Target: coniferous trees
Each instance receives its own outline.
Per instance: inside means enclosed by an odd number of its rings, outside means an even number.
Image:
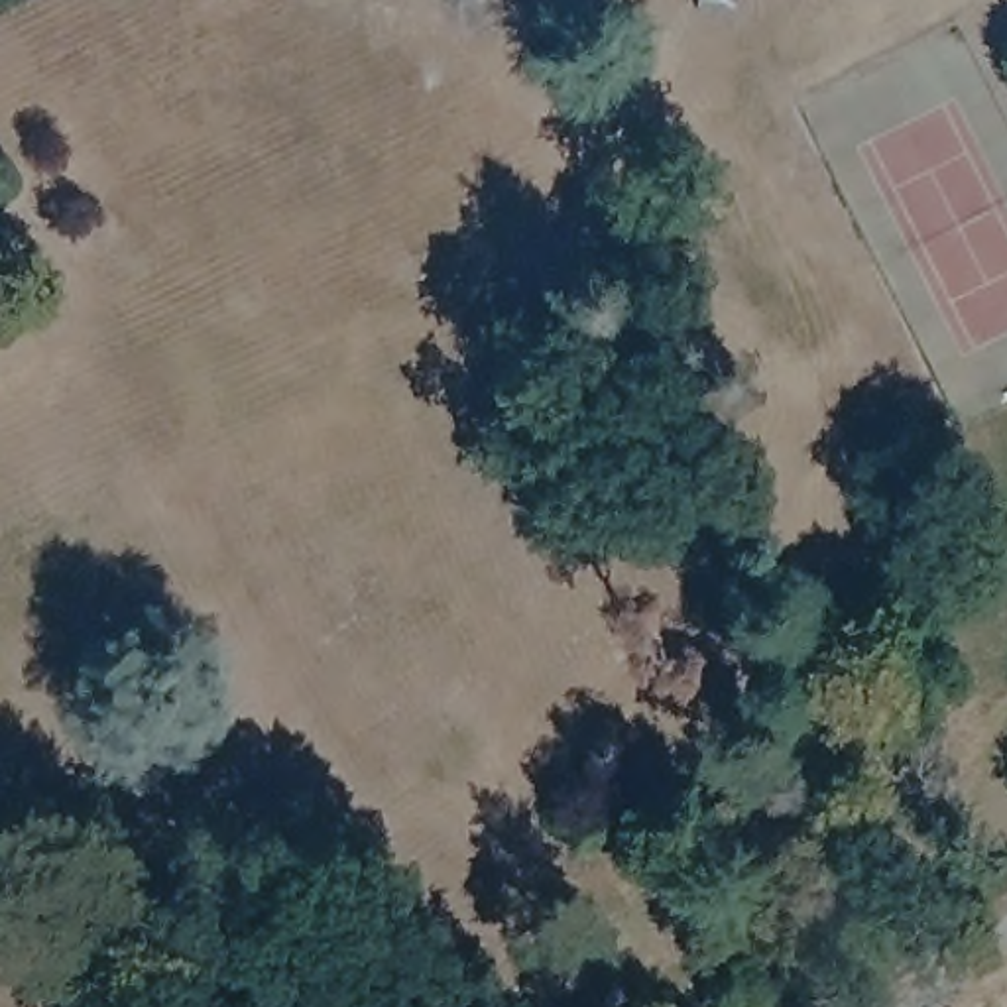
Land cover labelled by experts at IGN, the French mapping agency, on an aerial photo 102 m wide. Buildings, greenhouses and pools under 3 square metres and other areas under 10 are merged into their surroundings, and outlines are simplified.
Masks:
[[[606,118],[637,83],[653,83],[653,20],[641,8],[641,0],[531,0],[527,31],[515,35],[515,71],[547,90],[551,114],[574,122]]]
[[[114,625],[90,649],[90,661],[75,665],[67,700],[59,708],[63,716],[79,720],[87,736],[79,763],[94,767],[94,783],[122,783],[134,795],[142,795],[142,775],[149,767],[193,771],[212,743],[224,740],[224,732],[216,728],[216,688],[208,673],[216,665],[216,625],[201,614],[181,610],[165,590],[157,602],[126,598],[122,625]]]
[[[688,928],[720,936],[728,952],[743,952],[751,940],[771,940],[779,913],[759,905],[763,877],[751,873],[743,881],[724,877],[724,905],[704,905]]]

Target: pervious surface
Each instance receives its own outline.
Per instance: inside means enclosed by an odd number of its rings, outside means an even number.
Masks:
[[[964,976],[960,983],[956,1007],[1007,1007],[1007,940],[999,944],[1003,960],[995,972]]]

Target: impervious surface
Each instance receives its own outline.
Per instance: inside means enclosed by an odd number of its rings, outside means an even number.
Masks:
[[[948,979],[948,972],[940,968],[940,976],[920,987],[909,972],[889,987],[893,1007],[956,1007],[960,983]]]
[[[948,425],[956,425],[964,417],[983,417],[1007,405],[1007,59],[999,67],[991,63],[991,51],[976,24],[960,28],[940,20],[850,63],[826,83],[799,90],[795,98],[799,118],[814,138],[826,185],[838,208],[846,212],[850,232],[865,252],[865,264],[881,275],[881,287],[901,311],[905,326],[920,330],[920,342],[932,358],[932,378],[924,385],[932,389],[932,397],[948,405],[948,413]]]

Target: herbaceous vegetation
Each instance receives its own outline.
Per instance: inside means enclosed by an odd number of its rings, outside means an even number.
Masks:
[[[618,334],[610,334],[614,354],[653,354],[653,330],[629,330],[622,323]]]
[[[861,834],[869,834],[865,822],[854,822],[826,830],[822,838],[822,861],[830,873],[842,869],[842,842],[858,842]]]
[[[861,767],[865,755],[861,743],[830,747],[830,728],[814,724],[795,747],[802,771],[771,787],[767,802],[743,822],[724,822],[716,830],[716,846],[732,854],[747,850],[751,861],[763,869],[779,858],[783,846],[791,846],[814,822],[818,810],[830,806],[830,779],[846,775],[850,767]]]
[[[972,692],[948,708],[936,751],[948,763],[956,763],[956,775],[948,779],[948,799],[964,806],[964,818],[983,822],[995,846],[1007,846],[1007,586],[983,610],[983,618],[972,618],[952,633],[952,645],[968,665]]]
[[[783,991],[779,1007],[818,1007],[814,972],[791,968],[791,987]]]
[[[728,346],[736,362],[736,374],[755,378],[763,385],[759,413],[743,417],[736,429],[747,441],[763,444],[763,460],[775,480],[771,535],[802,555],[799,570],[830,590],[830,602],[850,622],[869,622],[881,602],[889,602],[885,566],[893,547],[881,535],[869,535],[865,523],[846,527],[838,484],[850,480],[858,456],[869,452],[865,444],[873,437],[909,433],[948,413],[948,405],[932,397],[932,389],[924,385],[932,378],[932,358],[920,342],[920,330],[905,326],[901,311],[881,287],[881,275],[865,264],[865,252],[850,232],[846,212],[838,208],[826,185],[814,138],[799,118],[795,98],[799,90],[826,83],[850,63],[940,20],[960,28],[976,24],[991,51],[991,63],[999,67],[1007,59],[1007,0],[641,0],[641,8],[653,20],[653,83],[637,83],[606,118],[574,122],[551,114],[547,90],[515,71],[515,35],[527,31],[531,0],[0,0],[0,244],[28,228],[39,256],[51,260],[51,267],[59,271],[55,319],[0,350],[0,834],[16,830],[28,818],[55,814],[87,818],[90,826],[98,822],[106,830],[126,830],[126,846],[146,865],[142,893],[161,905],[169,905],[169,897],[185,885],[185,877],[173,873],[169,861],[185,854],[189,834],[201,830],[208,830],[220,850],[244,854],[256,854],[264,842],[283,842],[299,854],[303,842],[323,838],[330,850],[346,846],[358,858],[389,842],[393,865],[413,865],[421,873],[421,893],[429,897],[444,952],[460,956],[480,944],[492,956],[500,983],[507,991],[519,991],[531,1007],[720,1007],[708,983],[700,976],[688,976],[688,968],[681,964],[681,948],[673,940],[677,924],[665,901],[657,893],[645,893],[637,881],[622,877],[610,854],[566,846],[566,834],[555,834],[555,806],[566,791],[582,783],[586,759],[602,755],[606,743],[614,743],[622,751],[618,799],[633,814],[673,806],[681,814],[684,791],[692,787],[700,767],[700,751],[712,743],[728,747],[712,720],[736,704],[736,688],[747,688],[747,673],[732,677],[732,665],[724,661],[736,614],[759,610],[767,622],[779,622],[783,602],[759,574],[747,574],[732,563],[728,539],[712,527],[688,543],[681,570],[610,559],[574,570],[574,578],[566,582],[555,578],[551,559],[539,555],[515,531],[515,507],[504,504],[500,480],[484,476],[492,409],[484,405],[484,389],[492,389],[496,397],[515,397],[527,389],[523,358],[531,358],[547,334],[559,330],[559,319],[547,311],[547,291],[574,295],[590,311],[602,307],[590,295],[590,279],[606,275],[614,283],[610,252],[622,240],[614,236],[614,220],[586,201],[590,177],[602,177],[614,165],[606,157],[610,130],[645,130],[661,138],[669,106],[677,106],[684,126],[700,138],[700,146],[720,157],[720,181],[736,197],[736,208],[724,224],[700,224],[712,291],[708,315],[716,338]],[[35,165],[20,142],[43,138],[51,126],[63,134],[67,157]],[[98,197],[102,220],[90,224],[83,236],[63,236],[39,216],[35,197],[55,181],[75,181],[79,189]],[[134,795],[122,783],[94,783],[94,767],[79,763],[87,736],[79,720],[63,716],[59,708],[67,700],[75,665],[90,661],[90,649],[114,625],[122,625],[126,598],[157,602],[165,590],[181,610],[201,614],[216,625],[216,665],[208,673],[216,688],[216,728],[224,732],[224,740],[212,743],[193,771],[149,767],[142,775],[142,795]],[[704,657],[704,681],[692,700],[649,700],[649,688],[637,688],[629,677],[625,641],[606,625],[606,618],[614,614],[645,614],[653,598],[669,598],[673,606],[681,602],[677,625],[661,633],[665,657]],[[539,932],[547,920],[555,920],[555,909],[574,897],[574,889],[590,893],[598,917],[618,932],[618,948],[625,952],[622,964],[594,960],[582,964],[578,976],[515,976],[507,936]]]
[[[799,936],[799,956],[810,956],[818,972],[846,972],[850,964],[850,956],[842,956],[838,948],[838,932],[850,924],[850,897],[834,897],[834,909],[826,917],[814,917]]]
[[[964,417],[956,425],[964,448],[991,468],[995,504],[1007,507],[1007,405],[983,417]]]

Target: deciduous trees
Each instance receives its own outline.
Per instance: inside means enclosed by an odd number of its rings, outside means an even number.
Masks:
[[[610,130],[606,157],[614,165],[602,177],[590,177],[586,201],[614,220],[614,236],[622,240],[610,252],[614,283],[606,275],[590,279],[590,295],[602,307],[590,311],[574,295],[547,291],[547,311],[559,319],[559,330],[547,334],[531,358],[523,358],[527,389],[515,397],[496,397],[492,389],[484,389],[484,405],[492,409],[484,476],[500,480],[504,504],[515,507],[515,531],[539,555],[551,559],[555,578],[566,582],[574,578],[574,570],[610,559],[681,570],[688,543],[712,527],[728,539],[732,563],[747,574],[759,574],[783,602],[779,622],[767,622],[759,610],[736,614],[724,661],[732,665],[732,677],[747,673],[747,688],[736,688],[736,704],[712,720],[728,747],[712,743],[700,751],[700,767],[692,787],[684,791],[681,814],[673,806],[633,814],[618,799],[622,751],[614,743],[606,743],[602,755],[586,759],[582,783],[566,791],[555,806],[555,834],[566,834],[566,846],[610,854],[622,877],[637,881],[645,893],[657,893],[665,901],[677,924],[673,940],[681,948],[681,964],[688,968],[688,976],[700,976],[708,983],[720,1007],[779,1007],[783,991],[791,987],[791,968],[814,972],[818,1007],[893,1007],[889,987],[909,972],[920,987],[940,976],[940,968],[948,972],[948,979],[960,983],[964,976],[995,972],[1003,960],[999,944],[1007,940],[1007,846],[995,846],[983,822],[964,818],[964,806],[948,799],[948,779],[956,775],[956,763],[948,763],[936,751],[948,708],[972,692],[968,665],[952,645],[952,633],[972,618],[983,618],[983,610],[1007,586],[1007,507],[995,504],[991,468],[964,448],[956,425],[948,425],[948,413],[909,433],[873,437],[865,444],[869,452],[858,456],[850,480],[838,484],[846,527],[865,523],[869,535],[881,535],[893,547],[885,566],[889,602],[881,602],[869,622],[850,622],[830,602],[830,590],[799,570],[802,555],[771,535],[775,480],[763,460],[763,444],[747,441],[736,429],[743,417],[759,413],[763,385],[755,378],[736,374],[736,362],[728,346],[716,338],[708,315],[712,291],[700,224],[724,224],[736,208],[736,197],[720,181],[720,157],[700,146],[700,138],[684,126],[677,106],[669,106],[661,138],[645,130]],[[614,354],[610,334],[618,334],[622,323],[629,330],[653,330],[653,354]],[[771,787],[802,771],[795,747],[814,724],[830,728],[830,747],[861,743],[865,755],[861,767],[850,767],[846,775],[830,779],[830,806],[818,810],[814,822],[791,846],[783,846],[779,858],[763,869],[751,861],[747,850],[732,854],[716,846],[716,830],[724,822],[743,822],[767,802]],[[869,834],[861,834],[858,842],[842,842],[842,869],[830,873],[822,861],[822,838],[826,830],[854,822],[865,822]],[[720,936],[688,928],[704,905],[724,905],[724,877],[743,881],[751,873],[763,877],[759,905],[779,913],[771,940],[751,940],[743,952],[728,952]],[[826,917],[834,909],[834,897],[850,897],[850,924],[838,932],[838,948],[842,956],[850,956],[850,964],[846,972],[818,972],[810,956],[799,956],[799,936],[814,917]]]
[[[39,256],[28,228],[0,244],[0,350],[55,319],[59,271],[51,267],[51,260]]]
[[[55,181],[35,197],[39,216],[63,236],[83,236],[90,224],[102,220],[98,197],[79,189],[75,181]]]
[[[574,897],[555,909],[555,920],[547,920],[539,932],[507,936],[515,976],[578,976],[582,964],[594,960],[622,964],[625,952],[618,948],[618,932],[598,917],[590,893],[574,889]]]
[[[677,625],[681,602],[673,606],[669,598],[653,598],[645,614],[614,614],[606,618],[606,625],[625,641],[629,677],[637,688],[649,688],[649,700],[692,700],[704,681],[704,657],[665,657],[661,633]]]
[[[20,142],[35,165],[67,157],[63,134],[51,126],[43,138]]]
[[[201,830],[189,834],[185,854],[169,861],[173,873],[185,877],[185,885],[169,897],[169,905],[161,905],[142,893],[146,865],[126,846],[126,830],[106,830],[98,822],[90,826],[87,818],[55,814],[28,818],[16,830],[0,834],[0,1007],[531,1007],[519,991],[507,991],[500,983],[492,956],[480,944],[460,956],[444,952],[429,897],[421,893],[421,873],[413,865],[393,865],[389,842],[358,858],[346,846],[330,850],[323,838],[303,842],[299,854],[283,842],[264,842],[256,854],[244,854],[220,850],[208,830]]]

